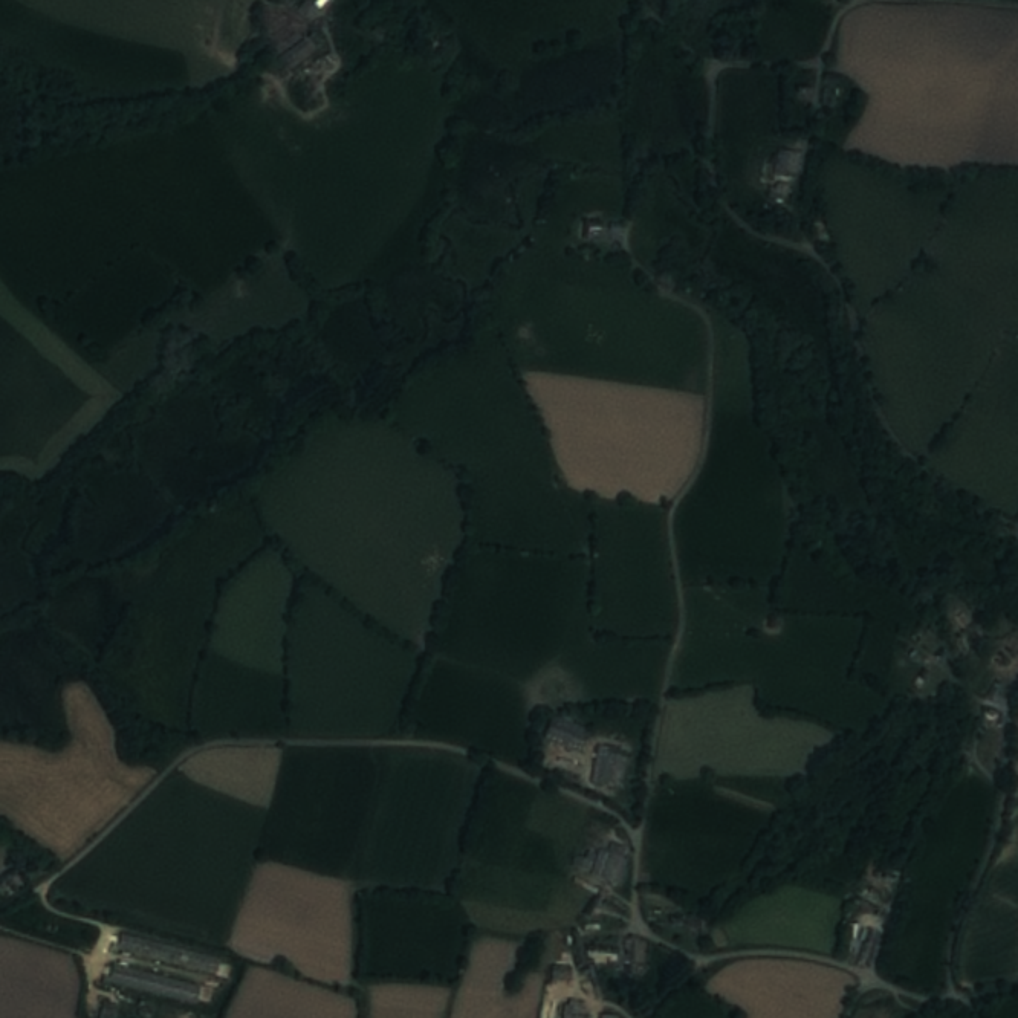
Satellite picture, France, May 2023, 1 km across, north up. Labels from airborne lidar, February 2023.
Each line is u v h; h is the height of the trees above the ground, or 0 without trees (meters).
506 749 0
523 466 0
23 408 0
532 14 0
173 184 0
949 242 0
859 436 17
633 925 0
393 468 0
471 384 0
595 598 11
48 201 0
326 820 0
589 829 0
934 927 0
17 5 0
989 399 0
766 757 0
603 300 0
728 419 0
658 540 0
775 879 7
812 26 0
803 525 15
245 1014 0
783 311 0
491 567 0
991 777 0
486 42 0
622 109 11
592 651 0
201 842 0
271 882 0
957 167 7
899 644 0
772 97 0
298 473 0
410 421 0
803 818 8
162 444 0
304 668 0
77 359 0
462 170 0
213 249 0
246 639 0
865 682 10
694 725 0
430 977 14
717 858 0
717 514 0
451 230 0
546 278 0
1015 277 0
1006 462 0
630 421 0
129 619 7
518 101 0
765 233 15
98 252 0
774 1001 0
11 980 0
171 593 0
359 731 0
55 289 0
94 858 0
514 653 0
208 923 0
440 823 0
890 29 0
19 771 0
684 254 9
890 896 0
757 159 0
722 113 0
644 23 18
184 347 17
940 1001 9
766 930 0
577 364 0
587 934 0
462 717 0
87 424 0
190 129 0
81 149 9
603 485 0
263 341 16
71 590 0
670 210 0
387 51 6
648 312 0
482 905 0
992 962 0
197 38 0
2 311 0
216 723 0
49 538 0
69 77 6
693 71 15
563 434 0
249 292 0
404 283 0
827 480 0
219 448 0
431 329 0
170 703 0
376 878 0
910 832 16
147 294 0
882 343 0
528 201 0
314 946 0
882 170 16
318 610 0
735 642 0
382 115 0
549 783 12
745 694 0
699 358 0
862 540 29
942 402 0
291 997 0
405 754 0
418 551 0
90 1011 0
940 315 0
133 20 0
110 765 0
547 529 0
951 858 0
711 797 0
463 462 0
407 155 0
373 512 0
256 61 14
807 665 0
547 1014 0
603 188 0
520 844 0
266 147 0
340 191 0
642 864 0
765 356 19
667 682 0
